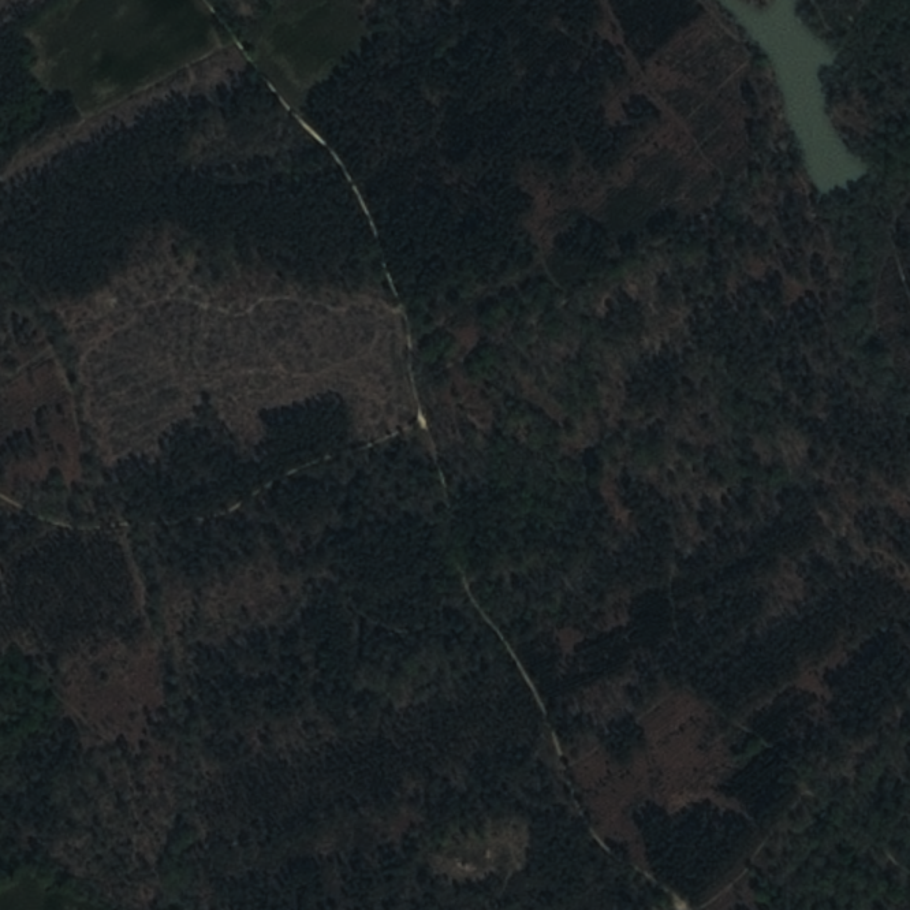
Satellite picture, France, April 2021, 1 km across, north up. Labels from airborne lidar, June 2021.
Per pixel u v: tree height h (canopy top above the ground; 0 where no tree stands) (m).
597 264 20
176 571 17
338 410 20
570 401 21
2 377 0
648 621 10
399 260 20
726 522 14
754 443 23
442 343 22
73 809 20
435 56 18
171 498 23
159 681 10
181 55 0
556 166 20
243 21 13
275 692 21
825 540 18
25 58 21
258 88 20
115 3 0
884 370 22
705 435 11
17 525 12
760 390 17
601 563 17
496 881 13
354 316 0
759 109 21
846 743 13
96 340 0
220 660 18
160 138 23
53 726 12
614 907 10
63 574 14
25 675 10
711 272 14
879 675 21
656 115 21
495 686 16
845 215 16
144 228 21
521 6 8
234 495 19
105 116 0
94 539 15
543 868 21
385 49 21
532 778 12
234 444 13
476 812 23
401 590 22
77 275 21
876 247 17
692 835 22
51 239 20
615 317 20
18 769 7
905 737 15
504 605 14
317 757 17
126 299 0
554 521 23
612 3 7
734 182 9
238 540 16
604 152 23
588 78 19
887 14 16
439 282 21
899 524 26
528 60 8
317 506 20
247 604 0
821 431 23
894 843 11
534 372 16
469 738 18
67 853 12
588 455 11
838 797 21
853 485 24
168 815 19
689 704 6
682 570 23
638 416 13
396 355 0
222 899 21
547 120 21
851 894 24
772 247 10
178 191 18
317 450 20
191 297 0
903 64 15
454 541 18
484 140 9
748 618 20
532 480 23
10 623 14
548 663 8
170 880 27
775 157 16
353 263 14
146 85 0
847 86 12
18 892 0
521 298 19
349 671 20
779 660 23
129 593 12
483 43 19
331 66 0
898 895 23
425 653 15
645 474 17
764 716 9
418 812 23
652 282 15
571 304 16
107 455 0
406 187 8
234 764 22
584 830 18
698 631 20
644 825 23
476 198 9
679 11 8
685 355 9
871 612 23
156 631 20
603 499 28
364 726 16
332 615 21
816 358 10
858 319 27
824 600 16
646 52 7
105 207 19
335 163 21
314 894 17
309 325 0
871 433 25
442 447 11
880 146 18
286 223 22
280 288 11
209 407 22
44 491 18
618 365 17
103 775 8
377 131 22
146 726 0
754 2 8
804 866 18
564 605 16
